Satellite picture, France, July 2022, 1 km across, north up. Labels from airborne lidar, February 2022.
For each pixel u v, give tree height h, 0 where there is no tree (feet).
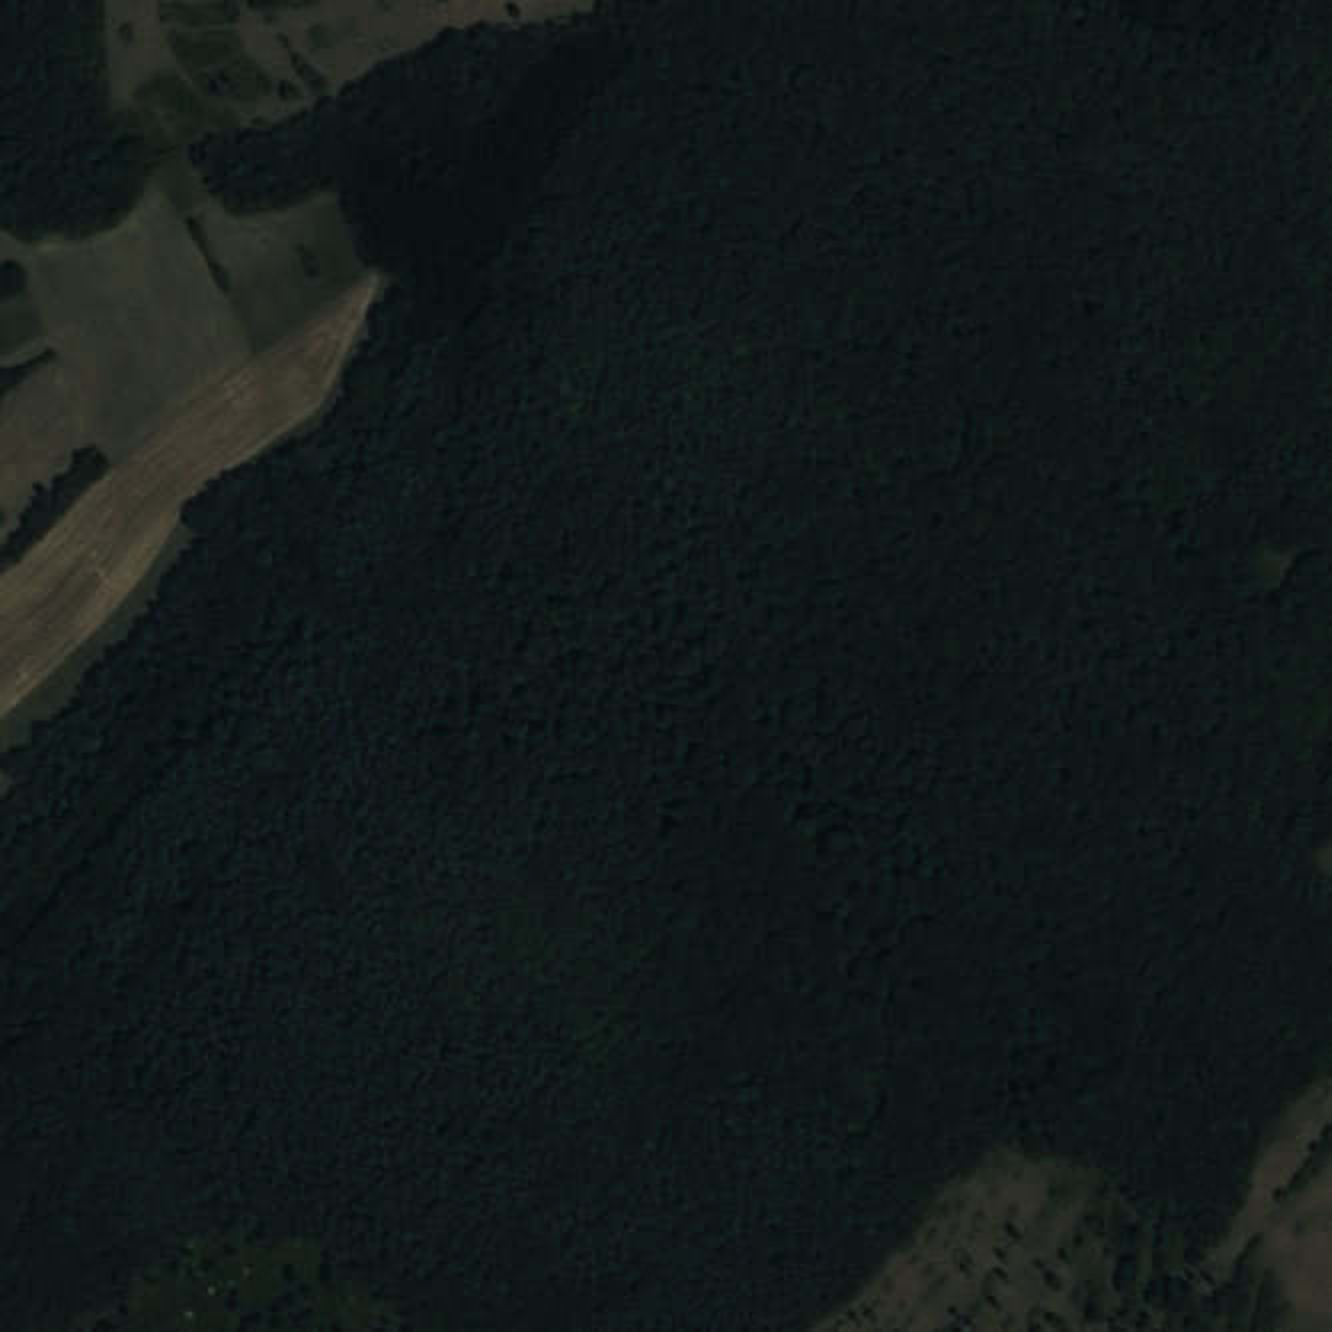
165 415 0
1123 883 79
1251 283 55
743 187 55
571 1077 43
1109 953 68
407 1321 60
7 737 0
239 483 62
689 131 57
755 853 92
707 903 67
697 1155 62
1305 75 42
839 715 83
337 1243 56
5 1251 31
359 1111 61
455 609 75
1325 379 61
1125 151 71
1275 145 47
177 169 0
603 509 75
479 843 65
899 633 76
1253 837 73
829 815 75
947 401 59
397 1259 73
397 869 45
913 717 50
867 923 91
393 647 69
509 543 70
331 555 77
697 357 58
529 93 33
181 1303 0
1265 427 40
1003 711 69
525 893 46
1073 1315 0
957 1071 75
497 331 66
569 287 56
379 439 77
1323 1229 0
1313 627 61
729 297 59
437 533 44
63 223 54
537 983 47
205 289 0
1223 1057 60
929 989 84
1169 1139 58
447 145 52
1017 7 67
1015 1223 0
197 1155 60
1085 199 72
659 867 73
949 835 70
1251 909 65
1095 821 78
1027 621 67
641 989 39
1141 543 71
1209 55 36
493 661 71
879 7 64
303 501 65
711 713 74
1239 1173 39
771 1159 67
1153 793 75
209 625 54
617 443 74
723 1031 67
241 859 88
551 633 78
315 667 60
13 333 0
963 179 64
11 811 41
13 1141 63
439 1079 59
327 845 89
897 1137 71
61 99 47
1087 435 70
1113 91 75
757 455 71
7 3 41
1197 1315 48
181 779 79
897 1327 0
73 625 0
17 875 72
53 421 0
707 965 69
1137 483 65
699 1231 58
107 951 72
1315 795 47
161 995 82
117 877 61
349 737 85
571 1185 61
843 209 59
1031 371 78
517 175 50
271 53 0
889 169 69
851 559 74
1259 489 65
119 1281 60
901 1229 63
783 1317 73
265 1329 61
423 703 89
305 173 28
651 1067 65
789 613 67
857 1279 72
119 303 0
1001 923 69
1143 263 65
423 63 47
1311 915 61
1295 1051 67
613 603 73
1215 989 58
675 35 58
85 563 0
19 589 0
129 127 0
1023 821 64
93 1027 55
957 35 69
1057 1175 0
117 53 0
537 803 57
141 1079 67
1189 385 69
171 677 59
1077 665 70
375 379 59
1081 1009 83
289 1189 72
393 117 54
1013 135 72
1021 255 62
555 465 73
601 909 46
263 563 74
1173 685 65
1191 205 62
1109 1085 68
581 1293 54
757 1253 71
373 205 39
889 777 85
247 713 54
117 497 0
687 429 57
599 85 24
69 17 43
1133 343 71
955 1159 72
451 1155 46
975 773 71
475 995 48
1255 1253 26
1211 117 60
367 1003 68
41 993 72
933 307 64
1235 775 66
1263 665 68
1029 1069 83
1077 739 74
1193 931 68
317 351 0
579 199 50
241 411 0
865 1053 71
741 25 68
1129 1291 68
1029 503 72
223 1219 54
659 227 37
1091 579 70
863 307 57
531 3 0
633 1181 64
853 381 65
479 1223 63
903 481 75
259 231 0
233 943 83
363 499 82
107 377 0
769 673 67
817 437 60
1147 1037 53
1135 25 68
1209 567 91
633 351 67
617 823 69
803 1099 64
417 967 66
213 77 0
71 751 50
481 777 79
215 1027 79
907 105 61
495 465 74
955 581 64
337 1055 78
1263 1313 20
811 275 58
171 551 0
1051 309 78
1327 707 52
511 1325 69
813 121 57
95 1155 71
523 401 62
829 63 61
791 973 80
